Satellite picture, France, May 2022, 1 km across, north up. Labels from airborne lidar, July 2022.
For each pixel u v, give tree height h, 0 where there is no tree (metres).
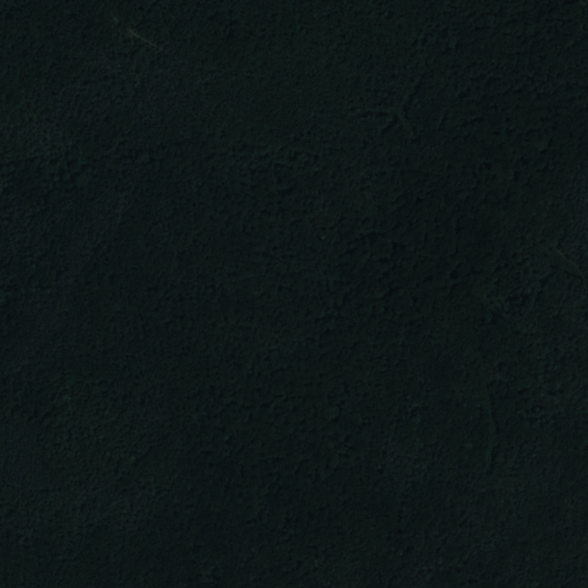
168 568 22
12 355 29
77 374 16
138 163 18
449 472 18
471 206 21
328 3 14
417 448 13
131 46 9
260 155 13
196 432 20
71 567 22
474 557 22
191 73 14
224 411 22
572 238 20
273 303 16
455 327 9
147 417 22
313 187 20
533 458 20
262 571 20
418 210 29
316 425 21
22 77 17
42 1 18
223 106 15
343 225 22
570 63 16
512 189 26
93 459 15
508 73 25
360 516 22
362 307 27
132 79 9
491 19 14
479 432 22
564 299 16
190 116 17
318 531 26
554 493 24
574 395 25
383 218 25
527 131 19
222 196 20
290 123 20
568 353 22
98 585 21
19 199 21
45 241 28
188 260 18
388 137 18
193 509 25
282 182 23
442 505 19
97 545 21
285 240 18
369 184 19
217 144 19
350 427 25
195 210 19
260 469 23
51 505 13
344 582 20
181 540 21
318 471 25
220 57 14
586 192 19
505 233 19
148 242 19
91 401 16
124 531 15
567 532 26
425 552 15
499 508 17
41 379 17
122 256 19
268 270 18
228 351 14
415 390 14
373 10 12
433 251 28
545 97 25
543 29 17
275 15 18
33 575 18
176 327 20
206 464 21
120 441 10
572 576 25
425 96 19
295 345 18
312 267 18
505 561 24
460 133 20
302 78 16
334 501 21
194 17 12
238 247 18
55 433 13
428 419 21
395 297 26
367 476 23
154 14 13
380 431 20
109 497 19
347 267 26
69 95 14
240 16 17
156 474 15
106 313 18
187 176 25
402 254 26
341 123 17
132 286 19
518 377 26
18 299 32
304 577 19
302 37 14
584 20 21
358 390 20
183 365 20
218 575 23
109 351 15
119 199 22
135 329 18
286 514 23
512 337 24
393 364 18
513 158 27
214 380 16
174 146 20
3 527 17
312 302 22
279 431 24
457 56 21
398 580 22
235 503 24
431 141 23
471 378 15
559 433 26
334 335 25
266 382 23
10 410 6
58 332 16
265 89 15
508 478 16
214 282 19
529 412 25
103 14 17
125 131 17
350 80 13
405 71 14
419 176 26
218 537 24
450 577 24
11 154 15
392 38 14
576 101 23
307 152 11
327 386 22
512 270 27
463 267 33
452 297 25
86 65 14
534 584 23
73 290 19
